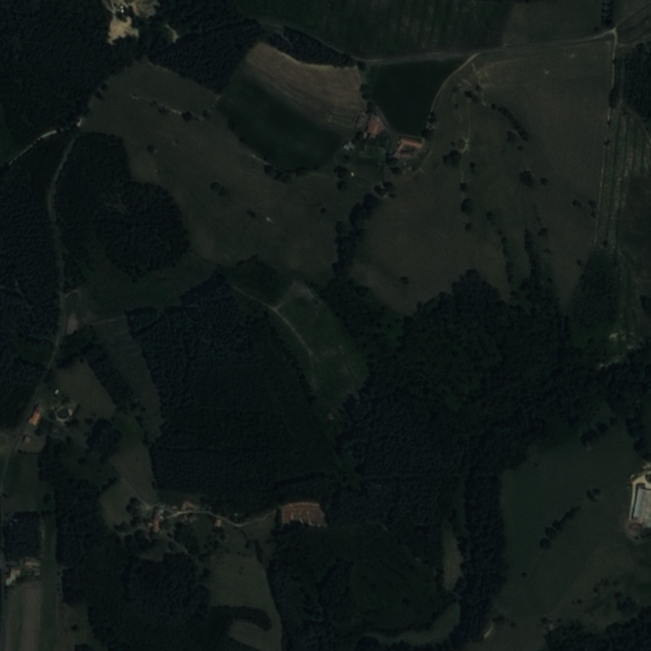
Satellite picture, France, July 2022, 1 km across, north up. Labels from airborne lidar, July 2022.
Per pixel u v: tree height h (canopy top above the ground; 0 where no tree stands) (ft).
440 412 37
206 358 85
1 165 0
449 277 0
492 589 79
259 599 0
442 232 0
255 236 0
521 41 0
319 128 0
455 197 0
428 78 0
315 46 94
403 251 0
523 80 0
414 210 0
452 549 0
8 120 30
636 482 0
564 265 0
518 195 0
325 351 0
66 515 75
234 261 0
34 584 0
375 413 107
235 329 97
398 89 0
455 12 0
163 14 69
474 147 0
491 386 33
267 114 0
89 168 32
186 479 60
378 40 0
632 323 0
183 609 103
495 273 0
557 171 0
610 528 0
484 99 0
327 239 0
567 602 0
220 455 57
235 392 35
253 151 0
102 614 32
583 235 0
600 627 0
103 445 75
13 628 0
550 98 0
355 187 0
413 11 0
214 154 0
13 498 0
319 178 0
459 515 48
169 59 101
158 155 0
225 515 35
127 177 28
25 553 68
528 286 50
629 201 0
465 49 0
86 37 64
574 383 62
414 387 84
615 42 0
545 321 41
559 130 0
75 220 23
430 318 20
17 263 85
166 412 39
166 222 37
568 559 0
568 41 0
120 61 63
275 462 53
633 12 0
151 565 71
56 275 93
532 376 26
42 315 105
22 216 96
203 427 37
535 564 0
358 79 0
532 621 0
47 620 0
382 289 0
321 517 0
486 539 75
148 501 0
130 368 0
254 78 0
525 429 91
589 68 0
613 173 0
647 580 0
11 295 103
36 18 48
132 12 35
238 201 0
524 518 0
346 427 36
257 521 0
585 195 0
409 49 0
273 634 0
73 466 0
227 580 0
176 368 83
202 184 0
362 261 0
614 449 0
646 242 0
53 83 39
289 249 0
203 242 0
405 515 101
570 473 0
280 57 0
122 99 0
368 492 90
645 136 0
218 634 19
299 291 0
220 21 77
